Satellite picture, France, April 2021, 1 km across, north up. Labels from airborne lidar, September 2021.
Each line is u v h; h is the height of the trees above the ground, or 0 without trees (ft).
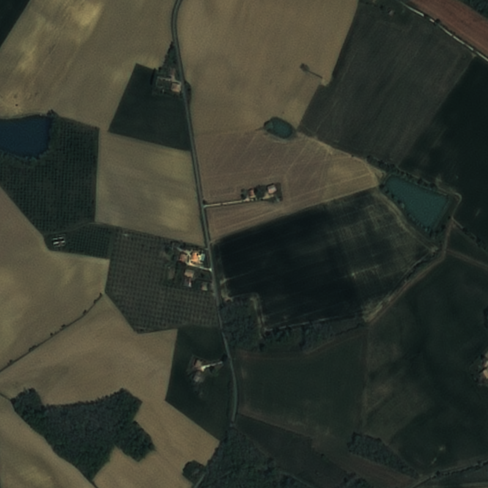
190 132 0
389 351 0
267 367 0
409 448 0
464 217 0
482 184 0
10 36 0
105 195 0
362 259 0
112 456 39
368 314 0
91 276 0
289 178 0
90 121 0
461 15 0
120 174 0
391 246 0
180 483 0
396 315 0
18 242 0
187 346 0
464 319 0
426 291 0
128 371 0
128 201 0
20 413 52
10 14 0
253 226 0
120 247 31
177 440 0
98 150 0
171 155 0
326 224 0
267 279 0
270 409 0
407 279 23
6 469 0
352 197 0
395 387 0
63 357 0
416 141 0
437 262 0
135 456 57
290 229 0
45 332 0
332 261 0
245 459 59
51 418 70
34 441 0
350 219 0
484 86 0
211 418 0
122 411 52
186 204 0
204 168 0
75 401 0
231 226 0
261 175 0
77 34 0
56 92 0
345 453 0
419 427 0
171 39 0
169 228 0
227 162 0
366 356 0
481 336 0
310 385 0
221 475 62
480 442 0
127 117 0
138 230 0
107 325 0
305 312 0
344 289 0
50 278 0
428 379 0
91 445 75
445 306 0
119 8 0
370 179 0
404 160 0
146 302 38
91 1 0
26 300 0
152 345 0
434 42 0
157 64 0
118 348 0
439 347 0
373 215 0
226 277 0
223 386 0
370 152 0
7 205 0
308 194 0
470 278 0
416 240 0
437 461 0
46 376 0
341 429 0
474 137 0
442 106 0
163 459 0
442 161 0
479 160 0
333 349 0
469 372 0
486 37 0
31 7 0
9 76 0
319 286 0
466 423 0
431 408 0
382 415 0
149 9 0
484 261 0
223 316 52
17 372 0
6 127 0
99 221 0
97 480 0
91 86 0
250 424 0
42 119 0
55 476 0
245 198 36
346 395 0
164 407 0
